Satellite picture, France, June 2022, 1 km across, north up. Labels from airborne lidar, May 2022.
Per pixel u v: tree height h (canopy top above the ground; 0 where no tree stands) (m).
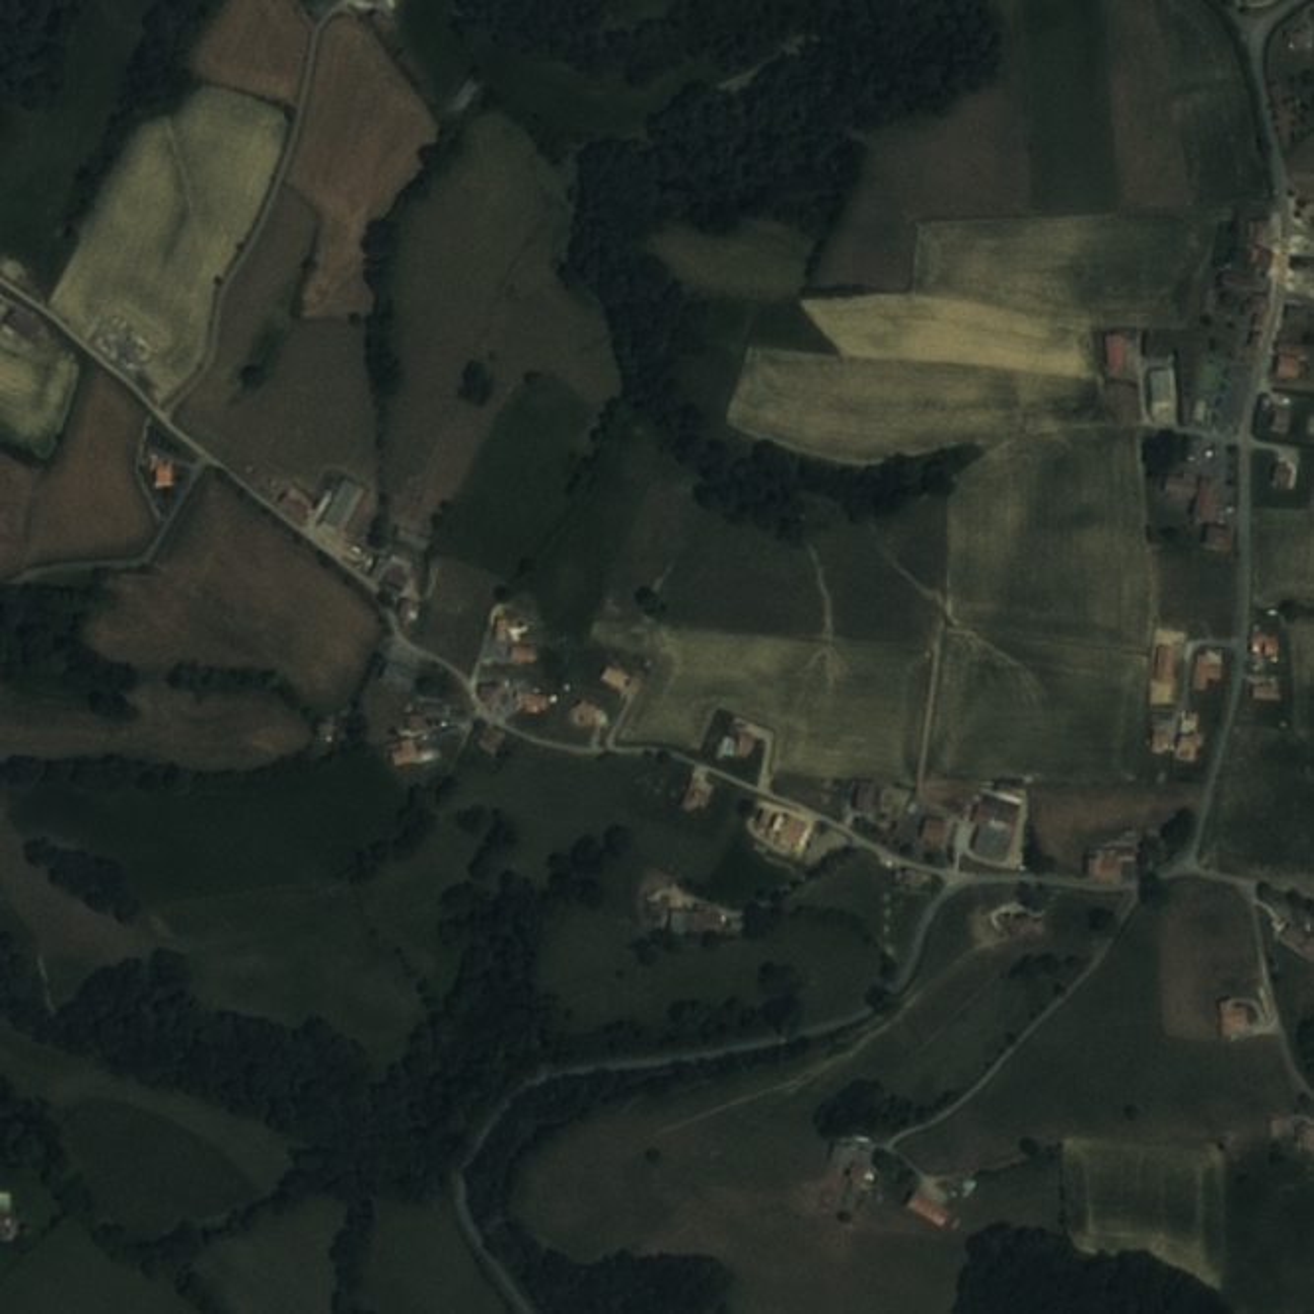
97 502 0
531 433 0
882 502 23
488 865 13
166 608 0
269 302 0
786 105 19
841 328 0
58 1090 0
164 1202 0
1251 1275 0
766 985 13
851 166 23
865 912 0
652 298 29
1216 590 0
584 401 0
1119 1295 26
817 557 0
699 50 18
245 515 0
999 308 0
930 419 0
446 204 0
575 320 0
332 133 0
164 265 0
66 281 0
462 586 0
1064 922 0
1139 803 0
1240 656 0
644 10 0
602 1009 0
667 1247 0
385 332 15
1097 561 0
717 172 14
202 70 0
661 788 0
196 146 0
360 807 0
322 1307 0
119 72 0
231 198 0
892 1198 0
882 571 0
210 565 0
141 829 0
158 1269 20
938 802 0
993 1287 30
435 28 0
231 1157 0
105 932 0
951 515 0
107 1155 0
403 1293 0
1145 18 0
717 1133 0
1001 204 0
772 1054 7
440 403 0
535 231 0
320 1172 23
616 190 21
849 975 0
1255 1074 0
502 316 0
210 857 0
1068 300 0
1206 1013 0
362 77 0
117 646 0
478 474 0
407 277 0
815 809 0
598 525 0
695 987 0
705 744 0
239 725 0
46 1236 8
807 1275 0
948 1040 0
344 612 0
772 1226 0
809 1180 0
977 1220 0
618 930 0
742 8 11
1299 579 0
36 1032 11
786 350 0
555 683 0
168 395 0
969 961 0
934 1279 0
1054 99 0
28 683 0
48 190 0
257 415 0
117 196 0
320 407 0
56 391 0
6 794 0
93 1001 18
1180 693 0
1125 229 0
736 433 0
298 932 0
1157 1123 0
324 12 0
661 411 19
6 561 0
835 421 0
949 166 0
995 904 0
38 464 10
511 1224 10
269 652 0
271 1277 0
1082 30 0
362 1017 0
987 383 0
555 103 0
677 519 0
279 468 0
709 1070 16
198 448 0
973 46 26
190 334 0
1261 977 0
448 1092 32
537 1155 9
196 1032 26
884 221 0
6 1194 0
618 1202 0
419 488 0
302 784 0
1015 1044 9
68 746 0
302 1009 0
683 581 0
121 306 0
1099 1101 0
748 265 0
